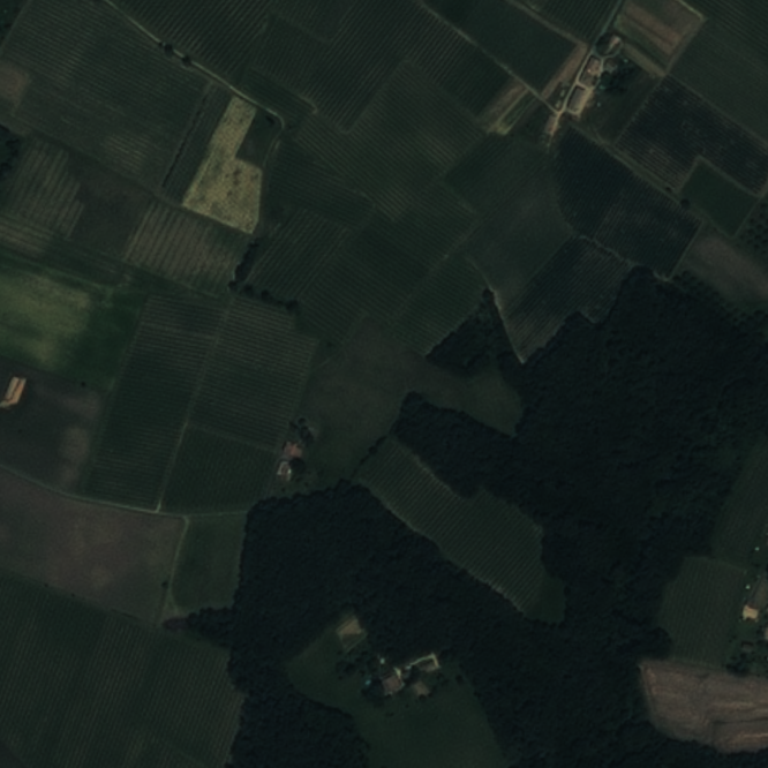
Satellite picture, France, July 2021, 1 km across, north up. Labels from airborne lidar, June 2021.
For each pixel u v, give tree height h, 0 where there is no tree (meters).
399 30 0
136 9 0
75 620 0
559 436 23
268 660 24
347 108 0
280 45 0
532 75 0
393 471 0
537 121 0
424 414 19
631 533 9
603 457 22
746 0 0
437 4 0
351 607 19
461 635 29
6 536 0
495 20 0
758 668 0
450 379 0
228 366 0
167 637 0
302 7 0
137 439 0
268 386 0
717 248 0
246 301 0
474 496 13
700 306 19
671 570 20
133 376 0
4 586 0
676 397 17
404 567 29
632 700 16
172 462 0
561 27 0
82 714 0
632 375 19
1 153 0
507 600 19
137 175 0
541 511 22
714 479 12
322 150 0
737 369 22
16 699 0
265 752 26
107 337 0
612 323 15
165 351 0
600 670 20
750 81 0
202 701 0
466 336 8
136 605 0
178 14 0
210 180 0
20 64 0
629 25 0
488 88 0
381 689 20
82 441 0
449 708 0
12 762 0
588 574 25
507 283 0
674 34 0
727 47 0
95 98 0
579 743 22
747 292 0
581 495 15
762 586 0
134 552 0
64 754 0
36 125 0
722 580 0
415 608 27
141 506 0
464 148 0
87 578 0
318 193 0
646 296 23
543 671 8
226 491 0
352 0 0
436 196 0
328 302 0
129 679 0
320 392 0
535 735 15
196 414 0
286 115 0
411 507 0
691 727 0
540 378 17
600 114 0
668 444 22
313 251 0
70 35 0
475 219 0
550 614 0
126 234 0
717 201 0
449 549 0
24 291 0
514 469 23
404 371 0
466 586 20
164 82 0
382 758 0
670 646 19
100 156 0
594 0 0
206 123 0
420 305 0
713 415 13
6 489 0
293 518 23
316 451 0
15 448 0
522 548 0
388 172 0
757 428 7
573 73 0
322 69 0
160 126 0
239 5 0
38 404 0
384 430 0
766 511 0
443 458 16
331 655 0
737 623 0
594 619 24
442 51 0
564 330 13
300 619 24
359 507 24
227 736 0
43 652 0
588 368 23
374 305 0
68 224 0
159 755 0
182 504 0
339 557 22
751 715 0
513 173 0
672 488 16
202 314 0
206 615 16
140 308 0
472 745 0
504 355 14
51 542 0
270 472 0
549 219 0
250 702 16
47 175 0
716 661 0
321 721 23
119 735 0
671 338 28
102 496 0
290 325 0
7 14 0
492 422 0
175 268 0
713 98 0
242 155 0
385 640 25
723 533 0
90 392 0
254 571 20
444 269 0
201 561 0
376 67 0
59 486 0
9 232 0
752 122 0
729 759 10
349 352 0
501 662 19
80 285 0
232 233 0
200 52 0
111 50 0
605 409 21
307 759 25
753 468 0
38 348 0
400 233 0
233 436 0
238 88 0
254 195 0
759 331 10
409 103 0
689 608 0
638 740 21
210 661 0
